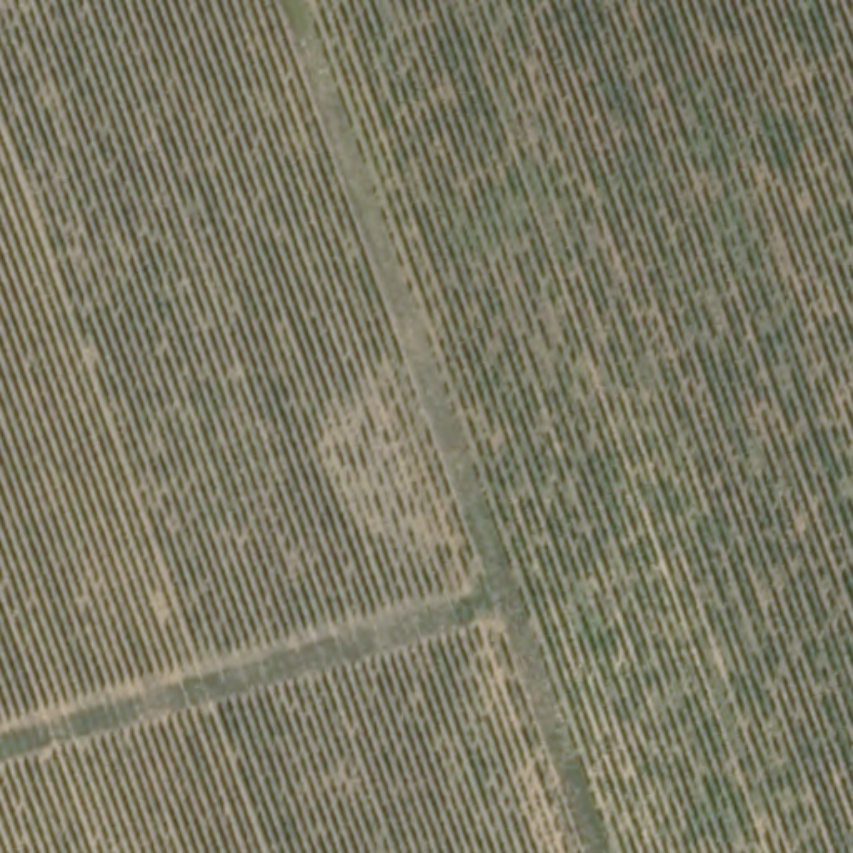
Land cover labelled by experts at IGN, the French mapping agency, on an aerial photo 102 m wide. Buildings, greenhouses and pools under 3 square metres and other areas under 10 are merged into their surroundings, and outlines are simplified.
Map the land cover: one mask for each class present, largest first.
<instances>
[{"label":"vineyard","instance_id":"1","mask_svg":"<svg viewBox=\"0 0 853 853\"><path fill-rule=\"evenodd\" d=\"M0 853H853V0H0Z\"/></svg>","mask_w":853,"mask_h":853}]
</instances>
